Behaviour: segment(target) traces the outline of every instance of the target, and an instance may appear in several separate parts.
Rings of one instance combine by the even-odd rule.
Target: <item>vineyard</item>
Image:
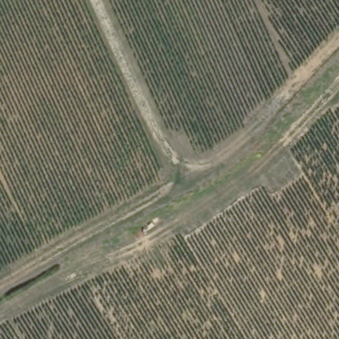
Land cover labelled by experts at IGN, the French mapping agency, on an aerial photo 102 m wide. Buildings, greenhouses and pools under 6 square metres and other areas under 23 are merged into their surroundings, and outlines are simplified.
[[[23,254],[32,253],[42,242],[65,232],[70,226],[81,224],[87,218],[97,215],[105,205],[113,205],[123,196],[134,195],[146,185],[143,179],[147,179],[147,183],[152,183],[162,167],[159,155],[162,154],[152,138],[150,128],[140,115],[134,97],[128,90],[121,68],[115,62],[113,52],[103,36],[101,24],[91,7],[90,0],[0,0],[0,270]]]
[[[142,85],[146,83],[155,105],[152,113],[159,115],[159,126],[163,130],[171,128],[187,135],[193,151],[199,150],[200,147],[203,152],[212,150],[215,144],[244,128],[245,115],[262,99],[269,99],[275,90],[283,86],[287,78],[293,78],[295,70],[309,60],[314,50],[323,41],[328,40],[328,36],[334,33],[334,30],[339,30],[339,0],[102,0],[106,12],[110,15],[114,36],[121,44],[122,53],[128,56],[128,68]]]
[[[196,233],[192,237],[188,234],[184,234],[184,237],[177,234],[173,238],[173,245],[163,242],[131,256],[119,257],[119,264],[113,266],[113,273],[98,275],[82,286],[75,287],[70,293],[60,295],[54,301],[17,316],[13,320],[19,324],[19,331],[15,332],[15,328],[8,320],[0,326],[0,339],[339,339],[339,107],[335,111],[328,110],[322,118],[311,124],[310,130],[297,143],[291,146],[291,152],[302,164],[305,175],[283,192],[281,200],[277,201],[270,197],[266,187],[262,187],[260,191],[245,197],[242,201],[229,201],[225,207],[220,207],[213,213],[215,221],[208,224],[199,234]]]

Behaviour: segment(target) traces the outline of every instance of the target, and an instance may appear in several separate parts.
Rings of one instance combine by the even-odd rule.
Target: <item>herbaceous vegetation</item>
[[[13,320],[17,316],[54,301],[60,295],[70,293],[75,287],[82,286],[98,275],[113,273],[113,266],[119,264],[119,257],[131,256],[163,242],[173,245],[173,238],[177,234],[184,237],[184,234],[188,234],[192,237],[196,233],[199,234],[208,224],[215,221],[213,213],[220,207],[225,207],[229,201],[242,201],[245,197],[260,191],[262,187],[266,187],[270,197],[277,201],[281,200],[283,192],[305,175],[302,164],[291,152],[291,146],[297,143],[310,130],[311,124],[322,118],[328,110],[335,111],[339,107],[339,30],[334,30],[334,33],[328,36],[328,40],[323,41],[314,50],[309,60],[295,70],[293,78],[287,78],[283,86],[275,90],[269,99],[262,99],[245,115],[244,128],[215,144],[212,150],[203,152],[200,147],[199,150],[193,151],[187,135],[171,128],[163,130],[169,146],[176,151],[177,163],[173,163],[172,159],[162,154],[159,155],[162,167],[152,183],[147,183],[147,179],[143,179],[146,185],[134,195],[123,196],[113,205],[105,205],[97,215],[87,218],[81,224],[70,226],[65,232],[42,242],[32,253],[23,254],[0,270],[0,294],[54,264],[60,266],[53,274],[26,289],[16,291],[7,301],[0,302],[0,326],[8,320],[15,328],[15,332],[19,331],[19,324]]]

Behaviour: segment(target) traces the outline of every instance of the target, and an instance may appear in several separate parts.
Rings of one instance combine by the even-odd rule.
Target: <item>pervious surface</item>
[[[102,0],[90,0],[91,7],[101,24],[103,36],[113,52],[115,62],[121,68],[128,90],[134,97],[140,115],[150,128],[152,138],[162,154],[172,159],[173,163],[177,163],[176,151],[169,146],[163,130],[159,126],[159,115],[152,113],[155,105],[146,83],[142,85],[128,68],[128,56],[122,53],[121,44],[114,36],[110,15],[106,12]]]

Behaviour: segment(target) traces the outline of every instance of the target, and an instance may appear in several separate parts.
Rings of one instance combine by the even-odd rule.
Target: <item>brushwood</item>
[[[0,302],[7,301],[16,291],[26,289],[53,274],[60,266],[54,264],[0,294]]]

